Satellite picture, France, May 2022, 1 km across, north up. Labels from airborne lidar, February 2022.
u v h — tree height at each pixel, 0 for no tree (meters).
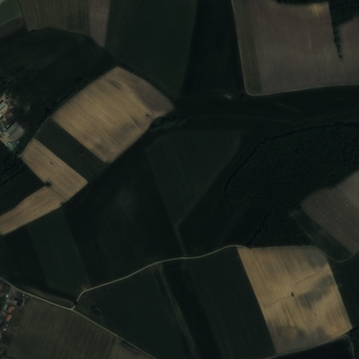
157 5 0
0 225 0
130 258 0
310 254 0
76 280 0
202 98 0
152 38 0
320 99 0
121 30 0
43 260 0
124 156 0
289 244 11
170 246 0
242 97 13
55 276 0
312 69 0
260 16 0
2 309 0
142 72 0
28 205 0
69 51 0
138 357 0
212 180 0
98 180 0
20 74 0
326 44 0
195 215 0
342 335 0
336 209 0
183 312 0
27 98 0
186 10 0
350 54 0
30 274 0
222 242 0
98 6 0
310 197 0
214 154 0
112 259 0
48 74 0
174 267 0
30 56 0
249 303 0
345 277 0
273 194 18
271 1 0
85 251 0
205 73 0
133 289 0
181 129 0
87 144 0
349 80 0
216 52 0
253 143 0
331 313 0
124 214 0
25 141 0
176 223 0
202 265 0
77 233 0
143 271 0
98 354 0
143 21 0
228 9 0
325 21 0
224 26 0
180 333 0
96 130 0
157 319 0
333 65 0
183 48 0
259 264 0
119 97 0
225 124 0
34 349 0
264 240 17
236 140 0
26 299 0
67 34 0
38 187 0
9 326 0
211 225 0
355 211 0
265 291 0
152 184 0
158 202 0
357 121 0
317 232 0
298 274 0
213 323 0
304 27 0
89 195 0
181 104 0
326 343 0
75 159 0
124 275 0
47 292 0
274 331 0
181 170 0
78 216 0
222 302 0
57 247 0
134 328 0
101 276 0
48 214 0
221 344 0
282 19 0
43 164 0
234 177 12
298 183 18
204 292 0
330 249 0
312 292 0
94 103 0
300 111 0
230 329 0
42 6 0
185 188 0
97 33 0
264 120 0
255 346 0
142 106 0
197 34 0
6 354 0
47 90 0
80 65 0
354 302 0
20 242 0
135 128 0
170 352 0
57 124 0
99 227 0
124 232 0
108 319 0
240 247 0
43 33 0
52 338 0
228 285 0
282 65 0
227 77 0
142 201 0
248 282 0
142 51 0
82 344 0
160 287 0
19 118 0
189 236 0
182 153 0
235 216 0
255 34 0
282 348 0
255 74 0
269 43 0
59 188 0
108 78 0
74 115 0
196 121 0
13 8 0
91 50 0
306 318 0
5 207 0
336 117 0
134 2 0
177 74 0
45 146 0
